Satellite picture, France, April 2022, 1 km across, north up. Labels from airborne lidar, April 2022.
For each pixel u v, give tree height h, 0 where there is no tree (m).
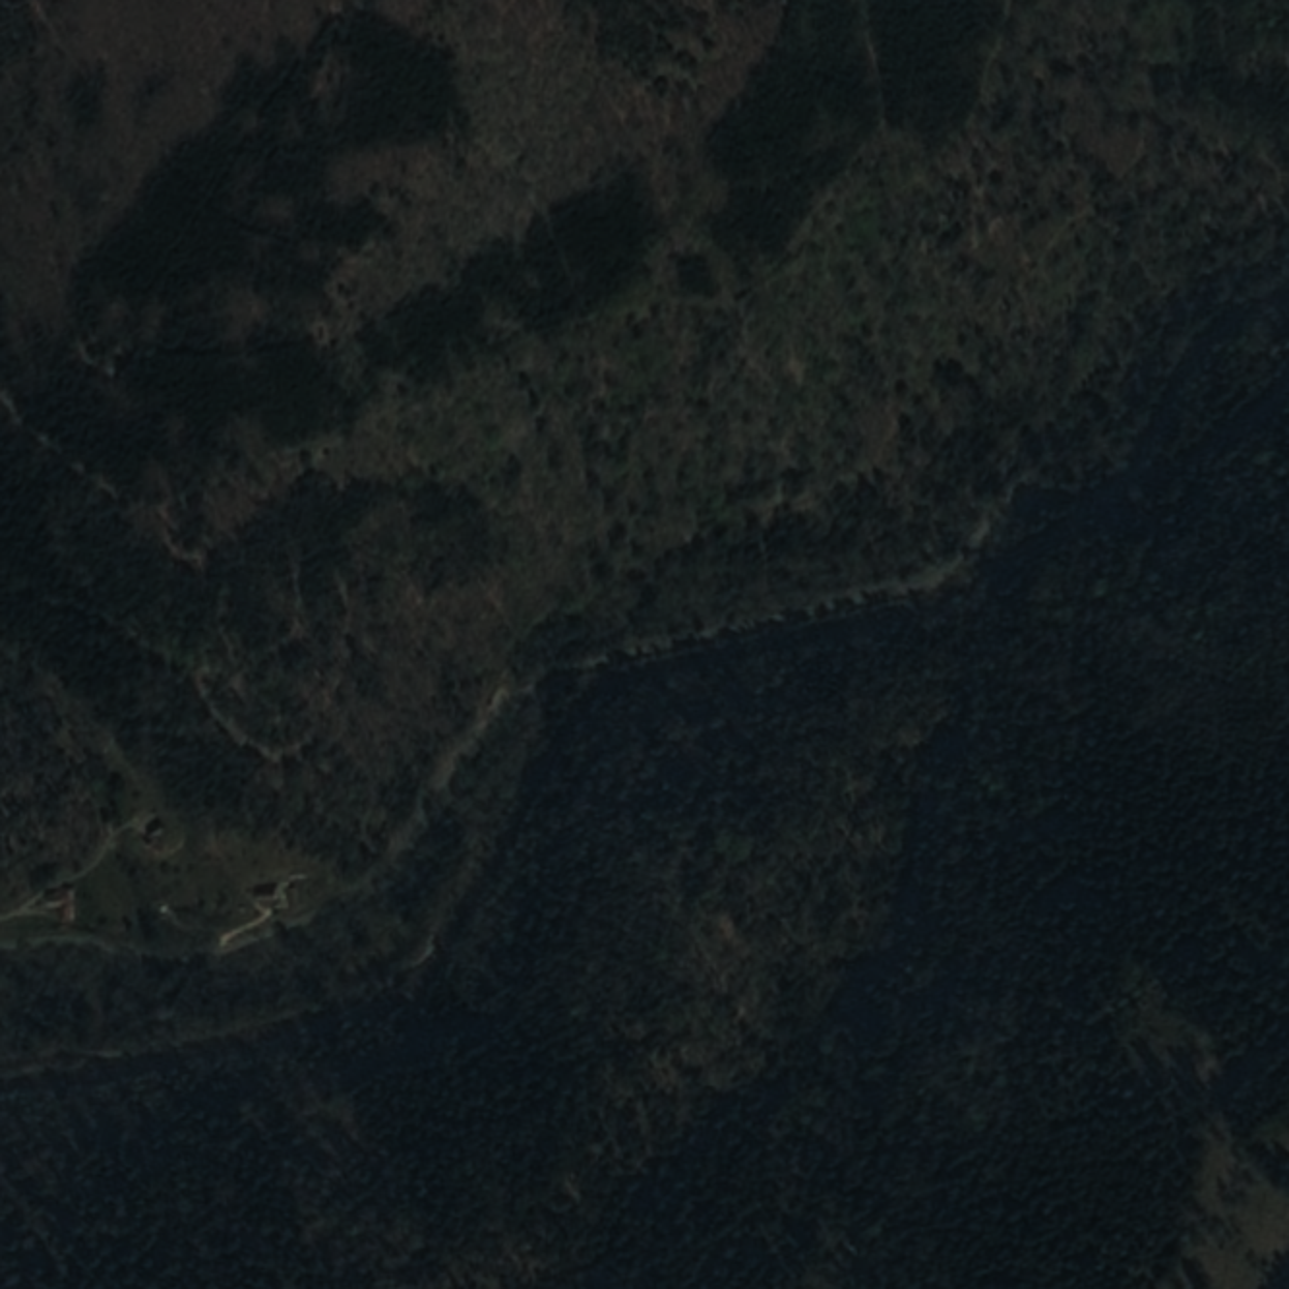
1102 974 38
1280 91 22
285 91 16
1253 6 20
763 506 6
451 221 9
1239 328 24
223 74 15
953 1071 12
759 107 18
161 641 16
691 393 11
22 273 14
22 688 31
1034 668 29
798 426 17
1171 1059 0
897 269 19
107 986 8
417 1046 20
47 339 15
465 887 13
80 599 15
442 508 25
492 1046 30
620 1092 15
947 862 22
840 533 23
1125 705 30
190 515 18
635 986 24
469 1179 35
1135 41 22
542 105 7
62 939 0
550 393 28
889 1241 29
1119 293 24
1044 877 31
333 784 20
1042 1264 31
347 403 15
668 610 25
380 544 24
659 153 19
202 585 18
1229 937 35
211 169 16
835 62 14
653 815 18
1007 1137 28
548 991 26
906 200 26
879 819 20
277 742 18
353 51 8
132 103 16
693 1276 34
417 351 16
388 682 26
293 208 15
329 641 28
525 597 15
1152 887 32
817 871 17
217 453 14
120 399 13
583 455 11
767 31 11
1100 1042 34
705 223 13
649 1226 37
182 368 19
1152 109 8
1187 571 21
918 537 25
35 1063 17
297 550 27
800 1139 30
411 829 21
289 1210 32
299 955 24
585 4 8
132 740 30
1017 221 32
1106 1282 32
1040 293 19
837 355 11
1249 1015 36
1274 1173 13
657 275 10
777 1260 38
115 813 13
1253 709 26
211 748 17
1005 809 34
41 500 18
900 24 22
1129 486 14
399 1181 35
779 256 12
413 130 13
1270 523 18
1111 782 29
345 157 11
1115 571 18
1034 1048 26
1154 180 17
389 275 9
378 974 10
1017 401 19
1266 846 32
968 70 21
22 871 7
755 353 12
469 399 12
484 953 17
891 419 20
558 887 22
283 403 17
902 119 20
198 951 10
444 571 21
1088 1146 28
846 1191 34
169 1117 18
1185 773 30
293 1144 6
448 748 25
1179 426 29
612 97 8
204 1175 37
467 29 12
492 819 9
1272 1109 33
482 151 6
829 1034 31
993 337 12
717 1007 27
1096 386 12
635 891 21
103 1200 40
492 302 7
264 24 12
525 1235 32
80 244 17
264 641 28
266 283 16
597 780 16
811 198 11
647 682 19
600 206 17
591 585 30
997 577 23
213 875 0
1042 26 24
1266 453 23
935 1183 25
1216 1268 0
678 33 8
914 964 25
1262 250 31
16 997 13
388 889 20
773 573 13
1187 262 27
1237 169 21
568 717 19
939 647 26
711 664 11
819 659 10
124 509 12
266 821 22
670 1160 39
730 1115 42
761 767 33
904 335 29
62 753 32
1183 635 14
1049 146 32
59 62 11
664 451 22
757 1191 38
